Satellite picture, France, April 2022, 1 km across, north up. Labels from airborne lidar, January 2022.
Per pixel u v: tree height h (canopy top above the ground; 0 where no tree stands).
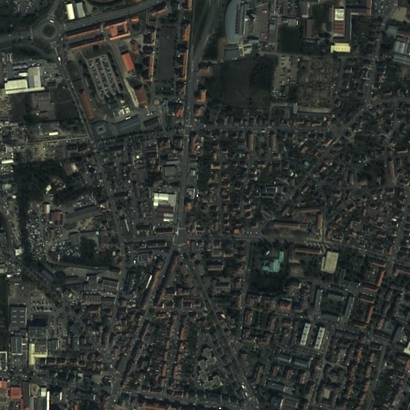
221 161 0
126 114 0
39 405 0
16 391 0
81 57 0
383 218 0
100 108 0
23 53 16
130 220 0
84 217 0
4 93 0
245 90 0
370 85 0
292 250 0
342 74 0
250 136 0
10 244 0
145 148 0
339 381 0
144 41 0
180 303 0
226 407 0
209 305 15
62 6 0
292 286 0
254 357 0
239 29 0
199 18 0
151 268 0
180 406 0
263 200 7
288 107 0
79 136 0
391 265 0
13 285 0
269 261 0
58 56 0
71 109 0
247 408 0
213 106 11
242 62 0
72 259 10
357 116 0
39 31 0
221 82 0
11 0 0
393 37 0
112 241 9
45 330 0
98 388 0
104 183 0
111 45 0
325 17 0
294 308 0
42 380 0
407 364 0
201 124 0
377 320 12
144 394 0
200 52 0
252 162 0
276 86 0
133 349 0
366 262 8
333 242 0
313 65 0
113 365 0
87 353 0
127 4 0
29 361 0
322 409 0
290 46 0
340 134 0
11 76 0
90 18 0
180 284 0
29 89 0
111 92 0
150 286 0
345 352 0
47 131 0
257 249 11
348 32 0
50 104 0
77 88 0
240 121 0
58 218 0
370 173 0
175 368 0
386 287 15
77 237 0
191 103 0
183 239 0
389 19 0
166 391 0
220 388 0
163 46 0
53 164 6
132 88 0
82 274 0
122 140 8
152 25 0
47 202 0
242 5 0
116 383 0
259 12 0
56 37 0
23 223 11
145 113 0
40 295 0
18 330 0
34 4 0
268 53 0
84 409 0
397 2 0
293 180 0
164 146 0
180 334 0
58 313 0
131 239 0
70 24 0
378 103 0
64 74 0
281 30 0
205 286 0
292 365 0
